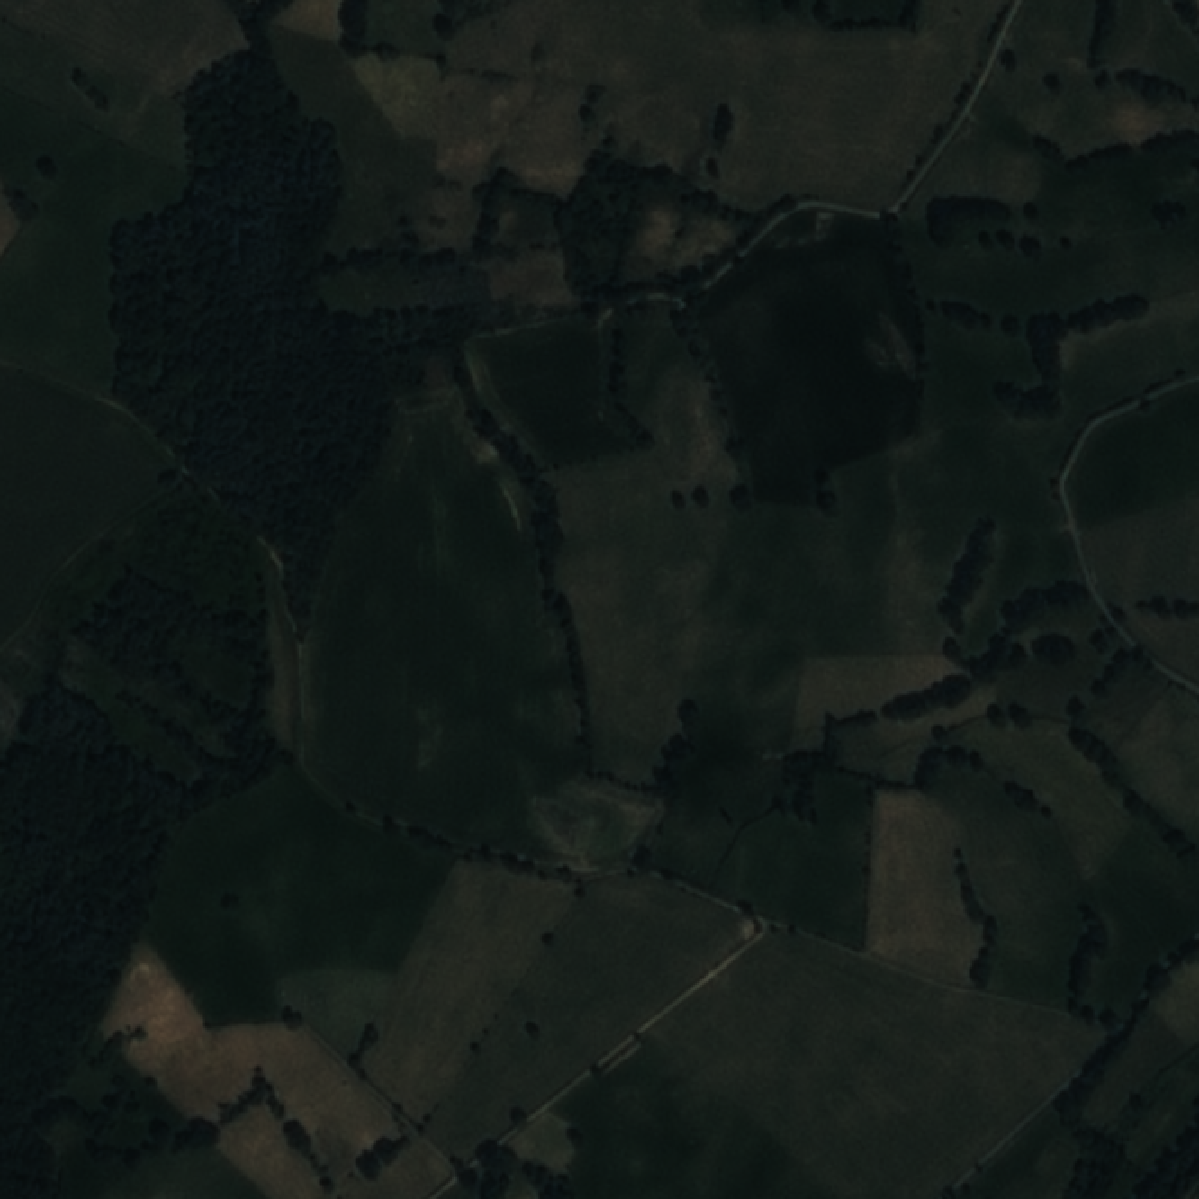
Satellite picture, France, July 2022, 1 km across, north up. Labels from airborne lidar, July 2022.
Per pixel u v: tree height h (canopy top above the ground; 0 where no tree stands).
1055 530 0
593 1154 0
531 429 0
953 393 0
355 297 0
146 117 0
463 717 0
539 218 0
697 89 0
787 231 0
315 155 26
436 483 0
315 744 0
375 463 18
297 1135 15
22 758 18
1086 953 15
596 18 0
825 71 0
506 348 0
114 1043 8
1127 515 0
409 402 0
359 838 0
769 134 0
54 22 0
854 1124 0
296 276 26
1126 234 0
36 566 0
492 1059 0
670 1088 0
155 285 18
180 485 14
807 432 0
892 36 0
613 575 0
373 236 0
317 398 18
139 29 0
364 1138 0
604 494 0
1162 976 17
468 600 0
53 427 0
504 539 0
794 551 0
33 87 0
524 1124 12
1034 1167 0
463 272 9
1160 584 0
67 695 21
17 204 14
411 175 0
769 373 0
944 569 0
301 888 0
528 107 0
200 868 0
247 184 25
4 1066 18
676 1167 0
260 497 17
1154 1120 0
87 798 19
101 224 0
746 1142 0
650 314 15
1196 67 0
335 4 0
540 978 0
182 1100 0
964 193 0
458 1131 0
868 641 0
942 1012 0
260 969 0
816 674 0
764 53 0
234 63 15
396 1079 0
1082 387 0
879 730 0
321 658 0
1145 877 0
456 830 0
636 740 0
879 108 0
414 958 0
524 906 0
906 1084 0
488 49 0
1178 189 0
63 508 0
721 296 0
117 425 0
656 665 0
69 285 0
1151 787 0
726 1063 0
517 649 0
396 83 0
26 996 21
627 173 9
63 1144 0
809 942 0
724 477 0
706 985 0
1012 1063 0
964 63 0
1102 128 0
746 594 0
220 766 15
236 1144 0
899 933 0
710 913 0
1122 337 0
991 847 0
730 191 0
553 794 0
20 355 0
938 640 0
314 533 15
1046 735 0
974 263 0
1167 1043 0
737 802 0
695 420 0
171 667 20
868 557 0
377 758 0
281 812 0
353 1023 0
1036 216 16
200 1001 0
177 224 18
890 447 0
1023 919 0
